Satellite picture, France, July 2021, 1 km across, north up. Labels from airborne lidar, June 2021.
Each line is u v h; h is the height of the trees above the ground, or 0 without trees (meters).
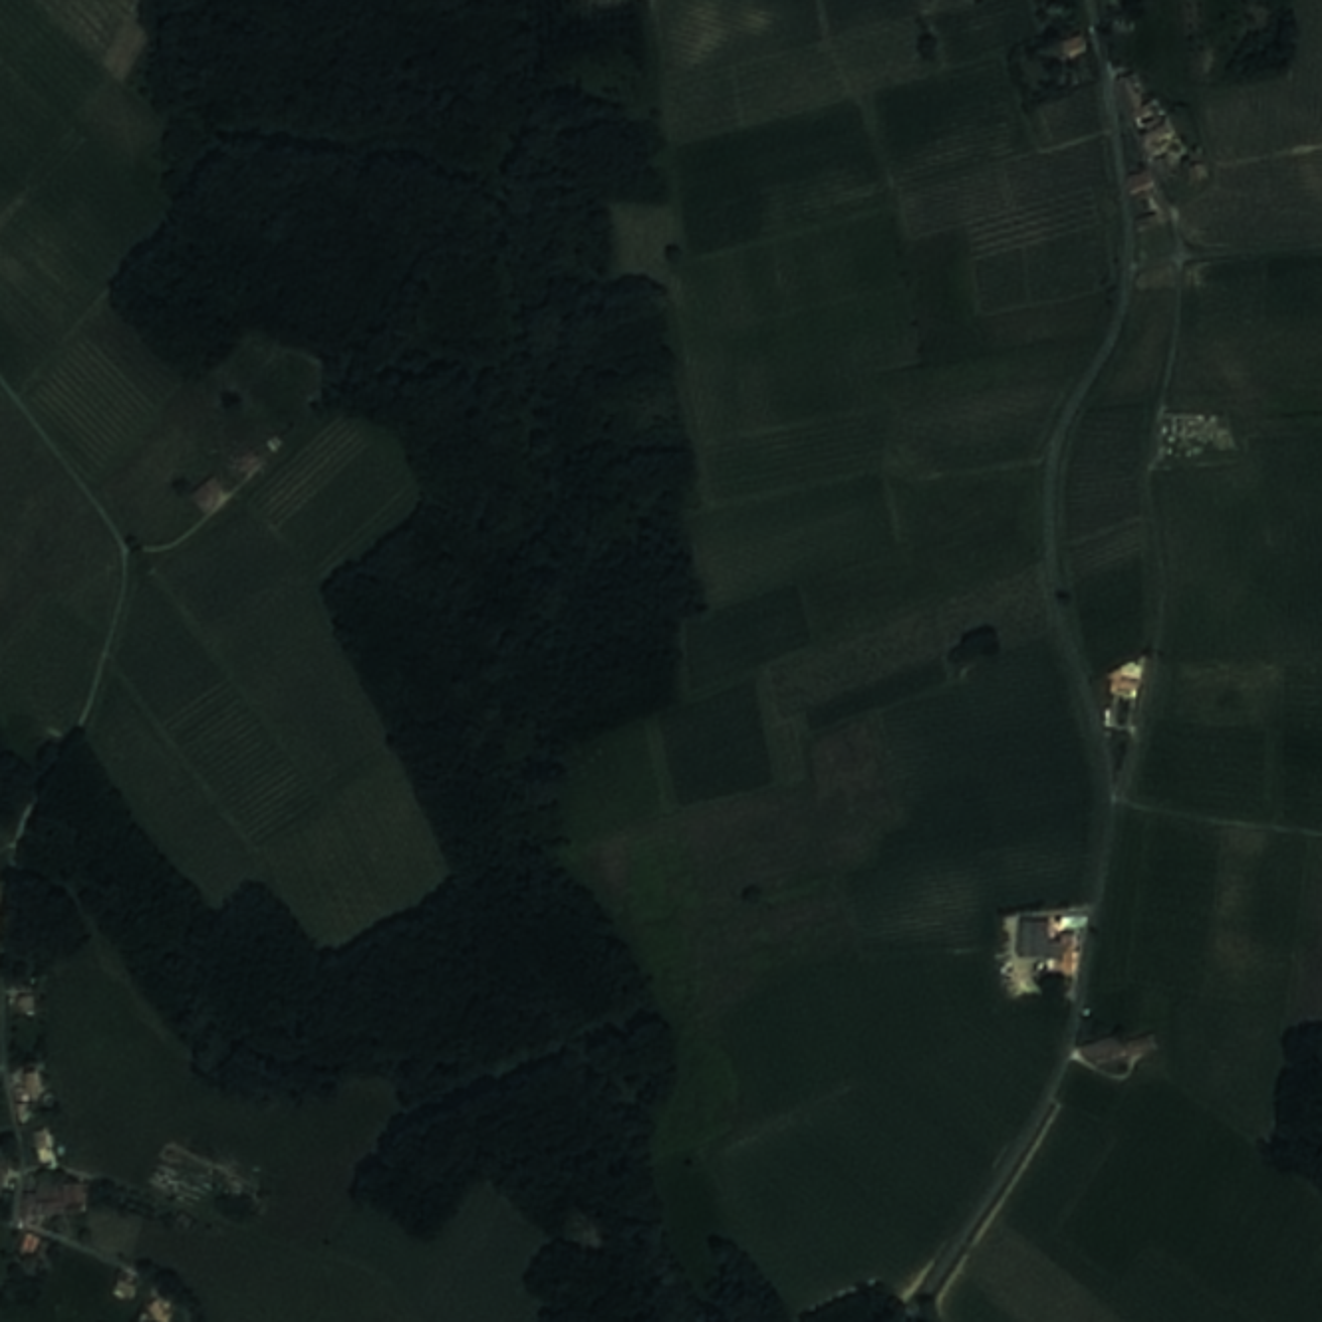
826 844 0
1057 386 0
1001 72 0
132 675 0
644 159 14
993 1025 0
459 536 12
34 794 23
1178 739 0
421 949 21
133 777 0
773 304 0
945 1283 0
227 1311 0
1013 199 0
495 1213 0
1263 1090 0
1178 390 0
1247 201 0
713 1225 0
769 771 0
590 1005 19
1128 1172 0
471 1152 18
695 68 0
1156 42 0
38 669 0
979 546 0
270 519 0
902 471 0
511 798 25
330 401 15
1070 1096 0
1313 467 0
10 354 0
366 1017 28
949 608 0
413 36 23
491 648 17
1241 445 0
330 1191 0
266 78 25
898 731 0
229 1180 0
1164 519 0
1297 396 0
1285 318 0
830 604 0
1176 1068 0
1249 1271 0
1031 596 0
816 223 0
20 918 16
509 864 28
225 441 0
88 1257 0
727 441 0
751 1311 28
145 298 19
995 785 0
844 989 0
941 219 0
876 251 0
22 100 0
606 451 17
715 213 0
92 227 0
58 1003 0
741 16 0
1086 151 0
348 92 23
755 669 0
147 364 0
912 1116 0
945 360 0
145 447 0
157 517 0
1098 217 0
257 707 0
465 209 27
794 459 0
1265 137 0
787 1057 0
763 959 0
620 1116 21
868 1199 0
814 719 0
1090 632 0
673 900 0
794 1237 0
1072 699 0
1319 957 0
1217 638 0
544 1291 13
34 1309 7
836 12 0
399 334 19
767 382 0
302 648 0
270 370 0
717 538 0
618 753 0
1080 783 0
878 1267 0
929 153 0
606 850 0
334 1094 24
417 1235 12
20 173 0
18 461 0
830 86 0
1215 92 0
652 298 20
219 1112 0
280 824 0
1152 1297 0
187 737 0
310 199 24
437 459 22
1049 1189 0
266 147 23
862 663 0
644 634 18
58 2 0
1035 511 0
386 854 0
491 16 20
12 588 0
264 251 20
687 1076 0
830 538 0
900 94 0
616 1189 23
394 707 16
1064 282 0
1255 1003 0
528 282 19
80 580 0
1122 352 0
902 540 0
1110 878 0
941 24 0
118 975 0
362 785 0
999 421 0
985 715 0
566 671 20
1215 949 0
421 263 18
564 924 22
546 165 14
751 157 0
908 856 0
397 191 27
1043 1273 0
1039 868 0
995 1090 0
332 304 22
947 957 0
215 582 0
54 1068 0
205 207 20
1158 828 0
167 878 18
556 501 16
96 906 17
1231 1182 0
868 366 0
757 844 0
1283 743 0
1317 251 0
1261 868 0
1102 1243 0
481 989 20
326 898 0
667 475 13
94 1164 0
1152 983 0
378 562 15
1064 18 7
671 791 0
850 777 0
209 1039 18
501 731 16
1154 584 0
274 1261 0
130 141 0
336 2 29
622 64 0
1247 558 0
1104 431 0
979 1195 0
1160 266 0
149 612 0
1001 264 0
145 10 10
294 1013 16
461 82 18
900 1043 0
